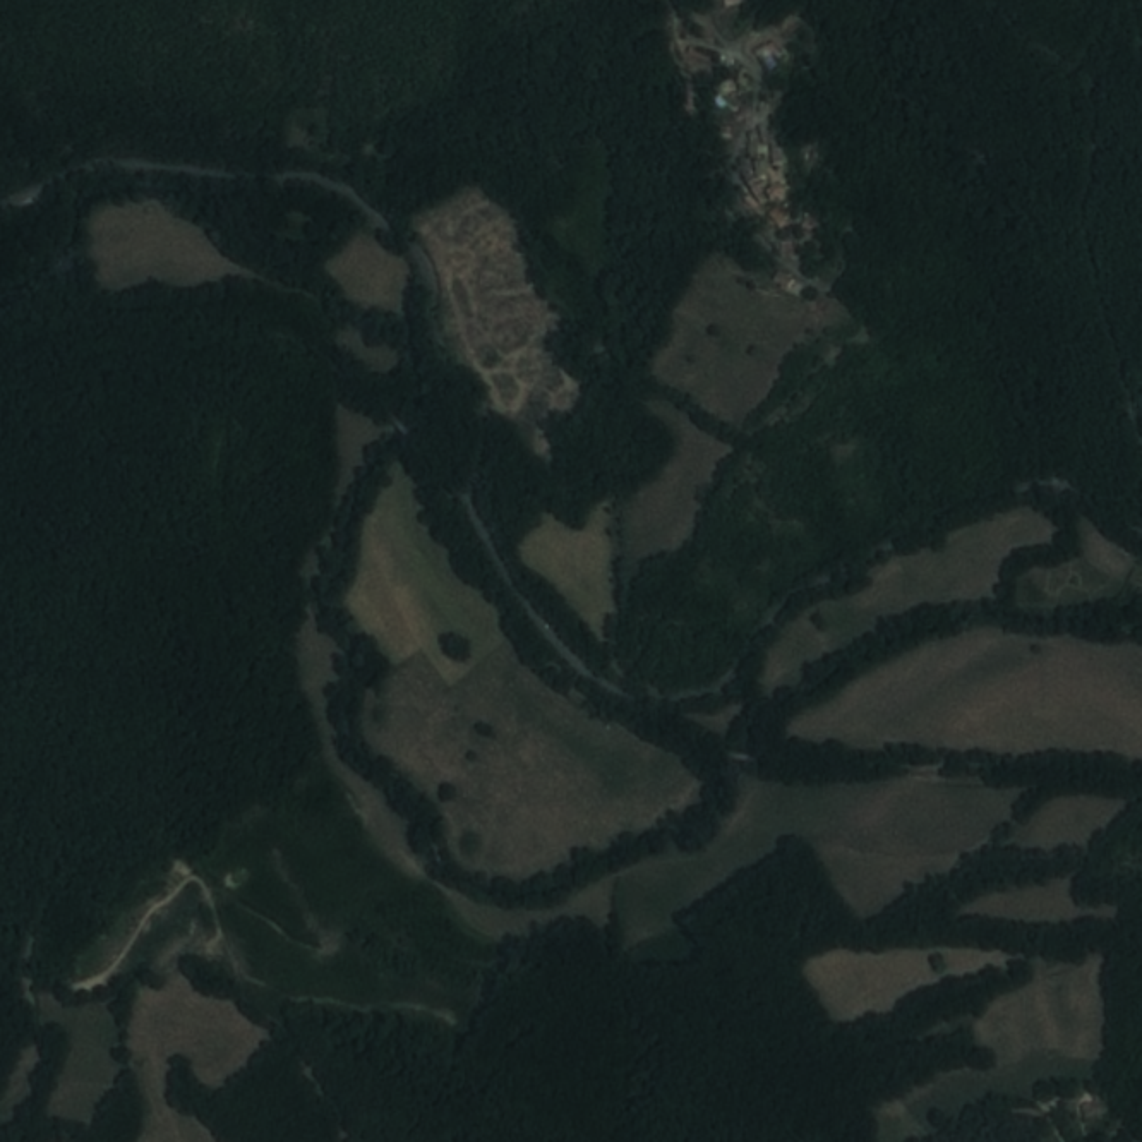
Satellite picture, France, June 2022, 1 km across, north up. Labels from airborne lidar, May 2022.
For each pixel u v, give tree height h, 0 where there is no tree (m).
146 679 26
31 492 22
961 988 23
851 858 0
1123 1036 11
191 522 21
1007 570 15
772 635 22
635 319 7
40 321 26
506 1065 23
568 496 12
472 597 0
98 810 18
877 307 14
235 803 26
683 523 0
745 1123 23
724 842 0
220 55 8
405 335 20
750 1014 22
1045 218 18
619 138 18
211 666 28
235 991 17
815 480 12
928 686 0
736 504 11
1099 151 14
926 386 9
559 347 18
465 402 26
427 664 0
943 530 20
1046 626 28
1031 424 25
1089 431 18
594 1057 23
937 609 19
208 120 12
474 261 0
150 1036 0
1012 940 21
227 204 30
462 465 22
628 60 15
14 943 8
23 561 20
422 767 0
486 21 15
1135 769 19
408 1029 25
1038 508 10
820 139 15
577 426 18
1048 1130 18
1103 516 20
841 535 11
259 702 31
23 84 11
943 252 20
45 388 28
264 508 18
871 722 0
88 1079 0
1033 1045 0
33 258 20
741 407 0
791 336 0
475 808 0
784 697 17
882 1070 22
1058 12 13
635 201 14
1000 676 0
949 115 21
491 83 20
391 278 0
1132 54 22
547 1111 28
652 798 0
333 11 6
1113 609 18
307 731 26
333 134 11
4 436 22
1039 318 24
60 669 14
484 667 0
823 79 23
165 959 0
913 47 32
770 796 0
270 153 24
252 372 20
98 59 10
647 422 18
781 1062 24
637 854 14
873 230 20
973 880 15
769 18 19
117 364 26
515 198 16
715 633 13
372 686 15
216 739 29
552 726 0
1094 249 17
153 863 10
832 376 12
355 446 0
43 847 21
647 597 13
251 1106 12
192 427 19
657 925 0
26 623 19
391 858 0
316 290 25
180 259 0
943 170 22
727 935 20
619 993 25
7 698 16
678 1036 27
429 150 27
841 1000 0
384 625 0
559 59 21
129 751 14
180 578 27
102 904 15
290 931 0
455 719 0
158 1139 0
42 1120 15
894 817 0
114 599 24
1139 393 10
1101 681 0
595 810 0
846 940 17
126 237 0
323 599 23
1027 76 22
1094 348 17
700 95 18
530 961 25
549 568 0
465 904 0
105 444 20
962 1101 0
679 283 16
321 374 29
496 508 19
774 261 7
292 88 8
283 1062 14
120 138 9
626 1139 28
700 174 12
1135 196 17
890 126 23
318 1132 15
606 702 14
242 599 27
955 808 0
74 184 18
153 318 23
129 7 10
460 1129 22
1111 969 14
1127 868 5
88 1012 0
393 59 10
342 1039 16
